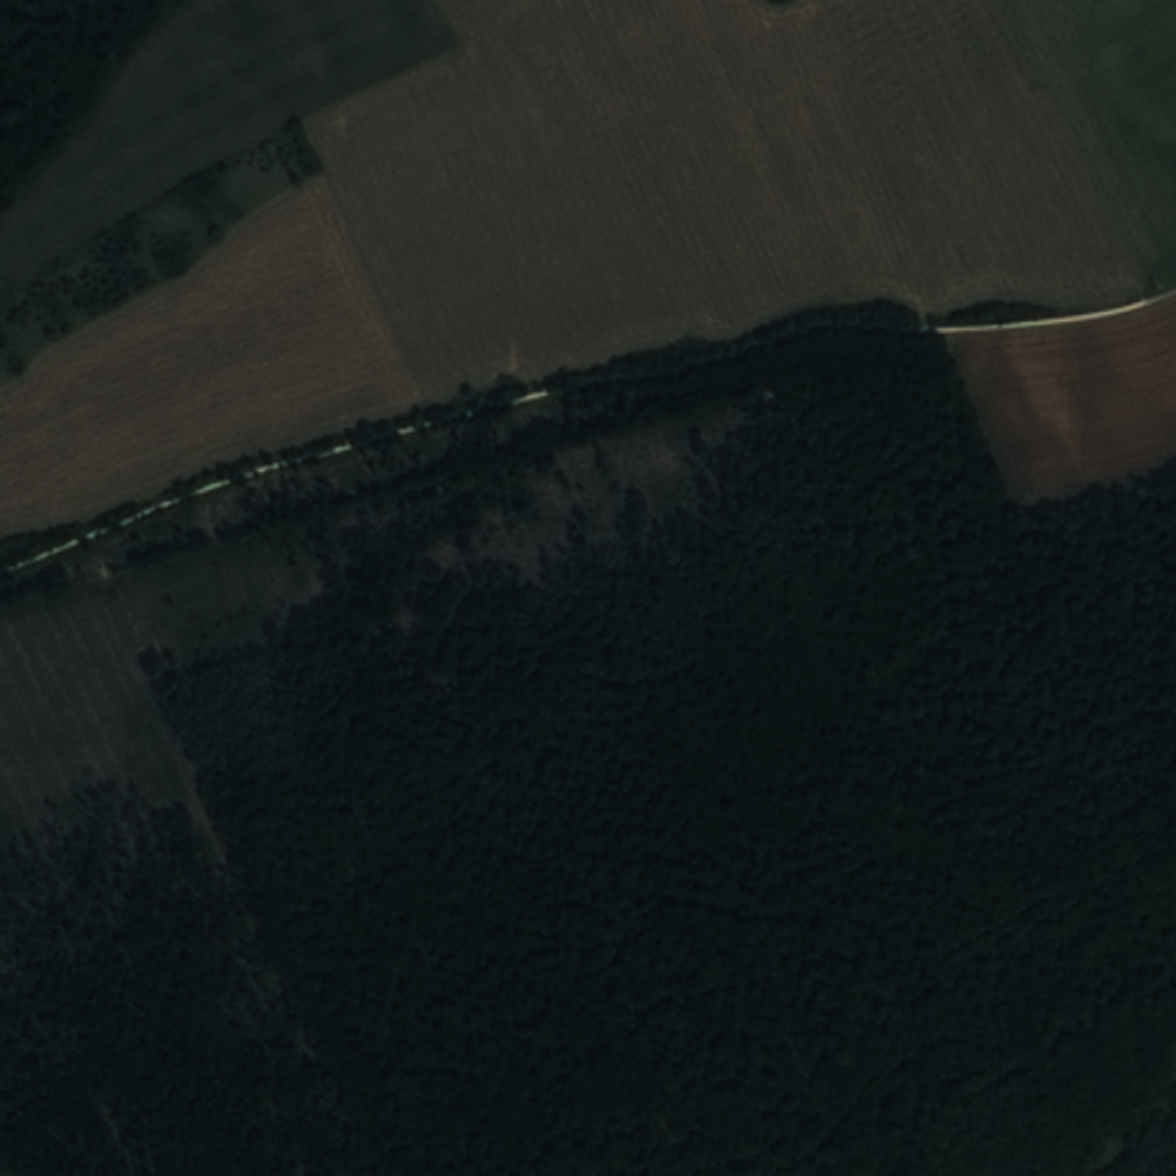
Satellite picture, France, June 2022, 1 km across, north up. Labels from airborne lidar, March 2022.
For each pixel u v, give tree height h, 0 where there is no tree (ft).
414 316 0
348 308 0
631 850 52
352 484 0
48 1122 49
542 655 55
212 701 51
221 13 0
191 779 0
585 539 57
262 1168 45
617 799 68
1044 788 78
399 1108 61
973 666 64
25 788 0
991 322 20
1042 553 88
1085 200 0
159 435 0
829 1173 50
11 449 0
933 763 61
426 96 0
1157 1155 42
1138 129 0
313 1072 65
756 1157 56
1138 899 68
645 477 0
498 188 0
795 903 58
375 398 0
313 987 64
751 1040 74
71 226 0
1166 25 0
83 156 0
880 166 0
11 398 0
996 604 80
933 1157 61
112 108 0
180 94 0
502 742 60
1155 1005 60
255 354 0
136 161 0
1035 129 0
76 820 0
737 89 0
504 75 0
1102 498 74
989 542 65
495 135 0
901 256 0
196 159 0
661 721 42
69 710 0
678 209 0
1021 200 0
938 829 43
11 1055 42
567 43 0
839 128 0
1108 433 0
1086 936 68
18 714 0
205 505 0
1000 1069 42
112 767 0
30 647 0
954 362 49
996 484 63
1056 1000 58
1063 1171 47
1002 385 0
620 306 0
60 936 42
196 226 0
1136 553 80
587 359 0
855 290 0
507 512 48
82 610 0
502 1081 80
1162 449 0
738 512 58
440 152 0
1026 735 56
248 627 0
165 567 0
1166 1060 55
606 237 0
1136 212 0
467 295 0
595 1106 73
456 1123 52
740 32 0
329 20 0
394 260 0
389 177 0
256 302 0
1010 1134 49
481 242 0
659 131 0
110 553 0
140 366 0
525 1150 65
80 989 42
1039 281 0
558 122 0
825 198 0
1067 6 0
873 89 0
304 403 0
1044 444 0
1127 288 0
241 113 0
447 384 0
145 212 0
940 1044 65
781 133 0
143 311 0
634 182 0
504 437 0
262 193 0
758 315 0
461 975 41
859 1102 62
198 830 0
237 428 0
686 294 0
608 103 0
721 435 0
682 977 76
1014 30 0
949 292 0
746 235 0
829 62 0
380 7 0
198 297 0
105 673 0
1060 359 0
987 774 79
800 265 0
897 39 0
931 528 39
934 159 0
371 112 0
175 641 0
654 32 0
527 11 0
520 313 0
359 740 62
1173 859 64
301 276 0
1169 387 0
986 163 0
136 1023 45
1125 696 72
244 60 0
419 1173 67
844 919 49
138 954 27
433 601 70
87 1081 52
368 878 39
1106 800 82
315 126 0
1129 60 0
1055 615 83
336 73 0
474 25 0
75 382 0
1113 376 0
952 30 0
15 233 0
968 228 0
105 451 0
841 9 0
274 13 0
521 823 57
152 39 0
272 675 51
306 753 55
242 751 51
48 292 22
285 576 0
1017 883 46
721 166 0
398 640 60
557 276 0
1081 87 0
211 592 0
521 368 0
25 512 0
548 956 72
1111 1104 41
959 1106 52
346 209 0
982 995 48
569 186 0
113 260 32
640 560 44
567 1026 67
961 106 0
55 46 72
